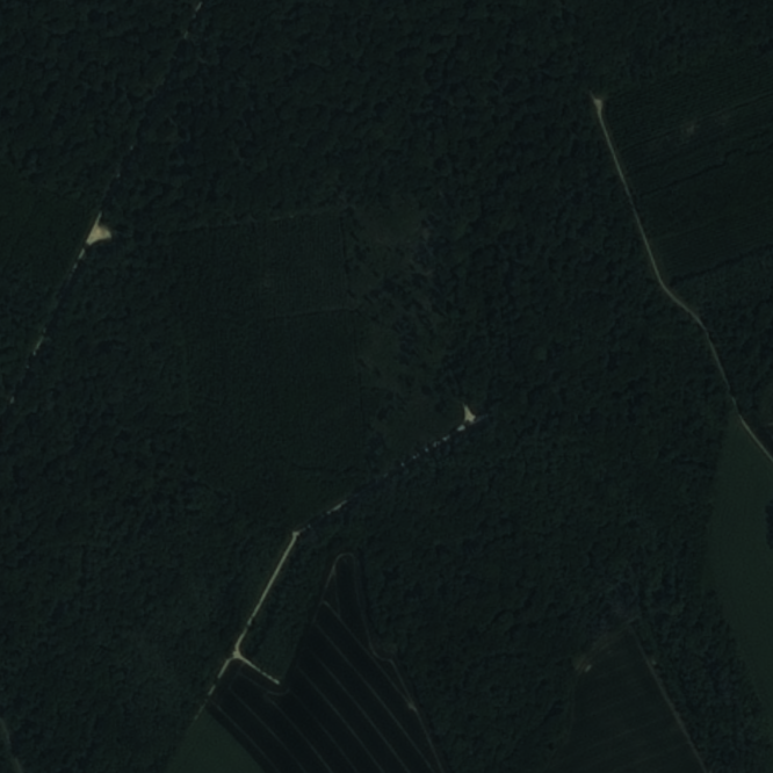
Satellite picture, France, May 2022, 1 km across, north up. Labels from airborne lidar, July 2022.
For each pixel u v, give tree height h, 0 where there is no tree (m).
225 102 31
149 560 22
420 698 22
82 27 30
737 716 28
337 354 8
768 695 0
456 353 8
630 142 7
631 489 24
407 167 29
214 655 23
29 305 23
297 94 28
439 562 27
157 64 30
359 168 26
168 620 26
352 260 0
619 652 0
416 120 26
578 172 24
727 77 7
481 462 21
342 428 8
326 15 24
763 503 0
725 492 0
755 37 27
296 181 18
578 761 0
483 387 19
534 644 31
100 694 25
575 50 20
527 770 26
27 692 26
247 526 18
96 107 26
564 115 27
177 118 29
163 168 27
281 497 13
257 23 19
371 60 25
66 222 6
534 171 29
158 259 23
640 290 24
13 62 30
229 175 25
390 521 28
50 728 24
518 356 28
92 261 8
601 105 0
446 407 22
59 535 23
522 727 27
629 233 20
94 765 28
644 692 0
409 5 28
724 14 16
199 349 9
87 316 20
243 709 0
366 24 28
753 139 9
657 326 27
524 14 23
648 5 20
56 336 27
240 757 0
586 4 26
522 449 25
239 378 9
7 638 33
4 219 11
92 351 24
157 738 27
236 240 11
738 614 0
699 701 20
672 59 21
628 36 24
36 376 19
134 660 25
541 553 27
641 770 0
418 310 27
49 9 28
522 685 14
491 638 16
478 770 25
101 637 25
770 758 14
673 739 0
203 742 0
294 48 24
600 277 27
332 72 29
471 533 27
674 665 18
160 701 27
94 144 23
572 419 24
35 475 24
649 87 6
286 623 17
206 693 15
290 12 18
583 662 0
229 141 25
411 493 30
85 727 23
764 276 16
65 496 28
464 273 24
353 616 0
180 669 22
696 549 24
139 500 14
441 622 25
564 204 24
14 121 29
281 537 19
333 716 0
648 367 23
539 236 21
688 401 9
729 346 24
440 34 31
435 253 27
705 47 26
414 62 33
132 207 18
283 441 8
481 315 8
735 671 19
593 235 27
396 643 24
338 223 6
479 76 27
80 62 30
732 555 0
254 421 7
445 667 26
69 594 18
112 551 20
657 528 23
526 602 14
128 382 26
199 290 12
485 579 27
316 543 21
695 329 18
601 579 25
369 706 0
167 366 23
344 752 0
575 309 26
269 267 8
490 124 29
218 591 19
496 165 14
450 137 30
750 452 0
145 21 30
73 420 22
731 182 12
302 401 7
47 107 24
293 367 6
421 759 0
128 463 30
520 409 28
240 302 9
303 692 0
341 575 0
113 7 20
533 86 29
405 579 22
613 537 24
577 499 24
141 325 25
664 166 8
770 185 13
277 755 0
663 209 13
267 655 20
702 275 11
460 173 29
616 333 21
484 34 33
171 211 26
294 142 22
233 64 29
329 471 12
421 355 28
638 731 0
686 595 25
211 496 20
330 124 30
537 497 25
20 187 10
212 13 22
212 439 9
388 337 0
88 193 15
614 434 33
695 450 12
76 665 23
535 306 25
